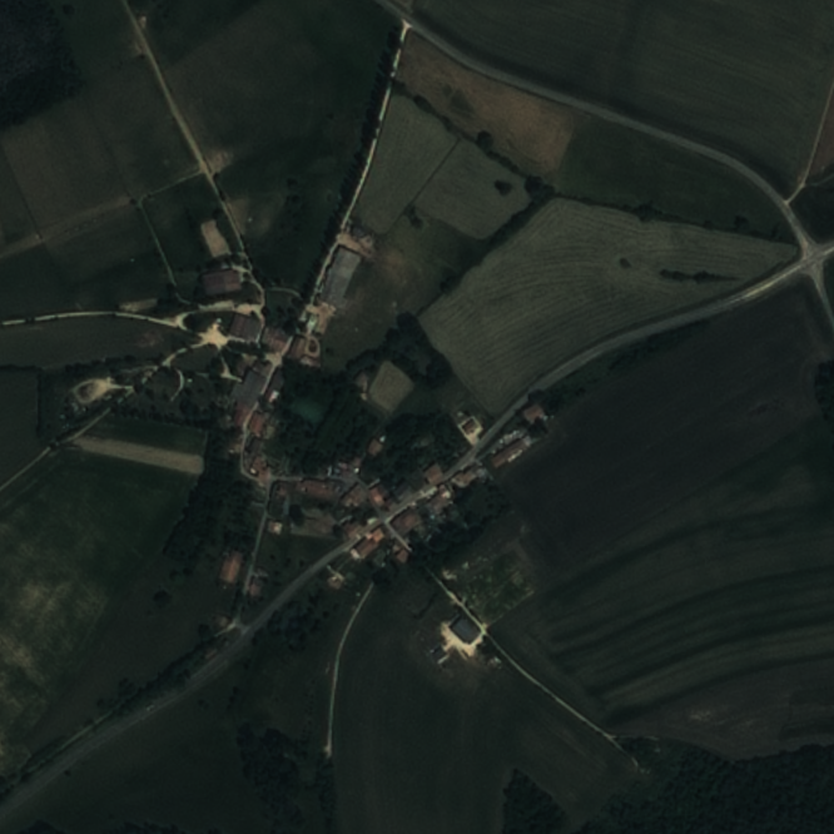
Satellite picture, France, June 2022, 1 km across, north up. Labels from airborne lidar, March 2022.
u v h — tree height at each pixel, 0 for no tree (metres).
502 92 0
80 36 0
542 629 0
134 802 0
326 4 0
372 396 0
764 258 0
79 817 0
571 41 0
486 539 0
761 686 0
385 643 0
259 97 0
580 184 0
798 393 0
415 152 0
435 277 0
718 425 0
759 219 0
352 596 0
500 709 0
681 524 0
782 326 0
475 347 0
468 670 0
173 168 0
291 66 0
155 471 0
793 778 14
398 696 0
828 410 10
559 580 0
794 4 0
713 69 0
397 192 0
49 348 0
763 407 0
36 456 0
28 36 16
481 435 0
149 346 0
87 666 0
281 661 0
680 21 0
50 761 6
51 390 0
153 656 0
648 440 0
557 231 0
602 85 0
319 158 0
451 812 0
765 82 0
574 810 0
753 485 0
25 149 0
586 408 0
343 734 0
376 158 0
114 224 0
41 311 0
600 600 0
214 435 8
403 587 0
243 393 0
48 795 0
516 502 0
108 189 0
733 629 0
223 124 0
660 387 0
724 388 0
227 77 0
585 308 0
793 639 0
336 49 0
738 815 20
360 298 0
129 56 0
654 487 0
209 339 0
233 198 0
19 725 0
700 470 0
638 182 0
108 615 0
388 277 0
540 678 0
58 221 0
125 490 0
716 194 0
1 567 0
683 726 0
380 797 0
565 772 0
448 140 0
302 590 0
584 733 0
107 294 0
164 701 0
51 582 0
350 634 0
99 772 0
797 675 0
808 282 0
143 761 0
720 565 0
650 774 0
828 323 0
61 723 0
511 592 0
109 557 0
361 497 0
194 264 0
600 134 0
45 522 0
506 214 0
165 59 0
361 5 0
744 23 0
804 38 0
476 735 0
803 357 0
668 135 0
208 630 14
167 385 0
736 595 0
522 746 0
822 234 0
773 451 0
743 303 0
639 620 0
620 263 0
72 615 0
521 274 0
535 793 10
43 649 0
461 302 0
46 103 16
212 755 0
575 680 0
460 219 0
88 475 0
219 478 10
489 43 0
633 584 0
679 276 7
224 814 0
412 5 0
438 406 0
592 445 0
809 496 0
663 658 0
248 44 0
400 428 15
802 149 0
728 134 0
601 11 0
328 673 0
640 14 0
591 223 0
